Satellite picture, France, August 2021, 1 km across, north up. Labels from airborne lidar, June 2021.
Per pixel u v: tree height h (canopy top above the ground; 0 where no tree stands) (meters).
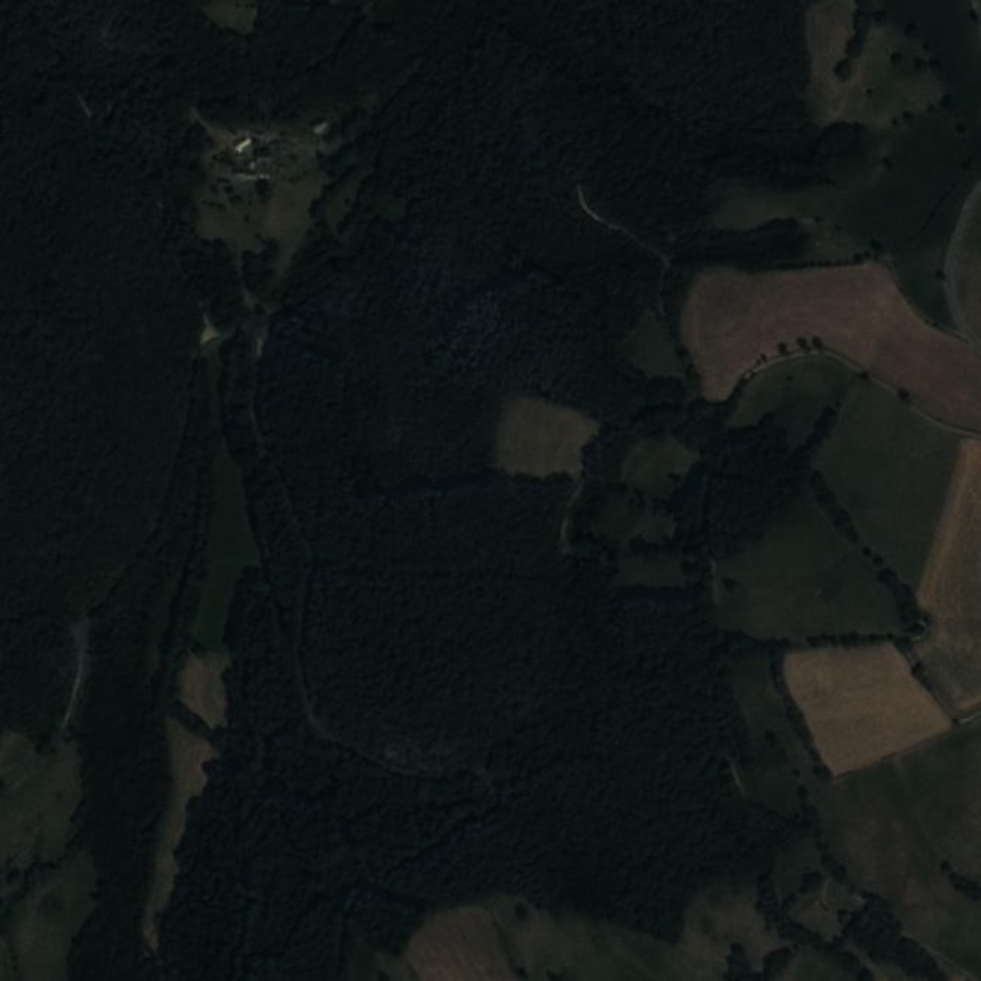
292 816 21
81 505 23
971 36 0
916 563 0
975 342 0
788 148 8
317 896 12
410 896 6
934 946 0
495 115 12
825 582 0
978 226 0
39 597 24
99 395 23
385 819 30
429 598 19
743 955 16
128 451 19
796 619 0
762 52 21
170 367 25
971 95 0
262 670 20
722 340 0
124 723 7
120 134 23
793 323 0
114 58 12
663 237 10
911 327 0
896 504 0
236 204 18
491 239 21
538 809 18
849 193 0
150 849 15
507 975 0
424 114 12
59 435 20
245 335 16
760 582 0
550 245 7
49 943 0
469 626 21
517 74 19
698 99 24
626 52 24
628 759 25
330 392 21
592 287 13
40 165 23
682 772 23
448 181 17
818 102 0
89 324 19
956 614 0
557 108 6
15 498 19
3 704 21
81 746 7
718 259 9
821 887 15
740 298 0
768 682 0
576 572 21
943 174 0
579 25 7
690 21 24
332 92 23
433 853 19
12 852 0
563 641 20
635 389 18
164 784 9
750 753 21
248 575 0
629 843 27
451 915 0
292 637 20
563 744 18
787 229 15
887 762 0
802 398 0
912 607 16
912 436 0
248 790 8
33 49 19
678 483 18
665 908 16
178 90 14
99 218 20
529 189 6
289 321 8
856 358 0
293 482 26
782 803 0
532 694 11
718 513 22
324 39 21
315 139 0
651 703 26
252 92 20
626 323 13
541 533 21
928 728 0
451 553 17
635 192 12
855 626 0
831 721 0
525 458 0
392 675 18
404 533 24
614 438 20
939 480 0
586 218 6
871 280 0
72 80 21
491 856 16
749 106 22
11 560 21
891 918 12
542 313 21
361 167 7
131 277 18
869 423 0
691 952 0
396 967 0
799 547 0
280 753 25
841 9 0
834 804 0
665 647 26
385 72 26
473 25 15
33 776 0
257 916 15
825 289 0
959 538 0
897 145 0
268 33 21
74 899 0
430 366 17
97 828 15
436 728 16
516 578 21
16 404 19
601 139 9
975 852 0
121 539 18
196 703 0
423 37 10
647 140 6
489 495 23
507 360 17
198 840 13
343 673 19
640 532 0
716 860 25
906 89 0
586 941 0
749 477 21
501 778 11
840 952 14
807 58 16
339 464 27
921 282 0
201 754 0
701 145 14
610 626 26
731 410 11
